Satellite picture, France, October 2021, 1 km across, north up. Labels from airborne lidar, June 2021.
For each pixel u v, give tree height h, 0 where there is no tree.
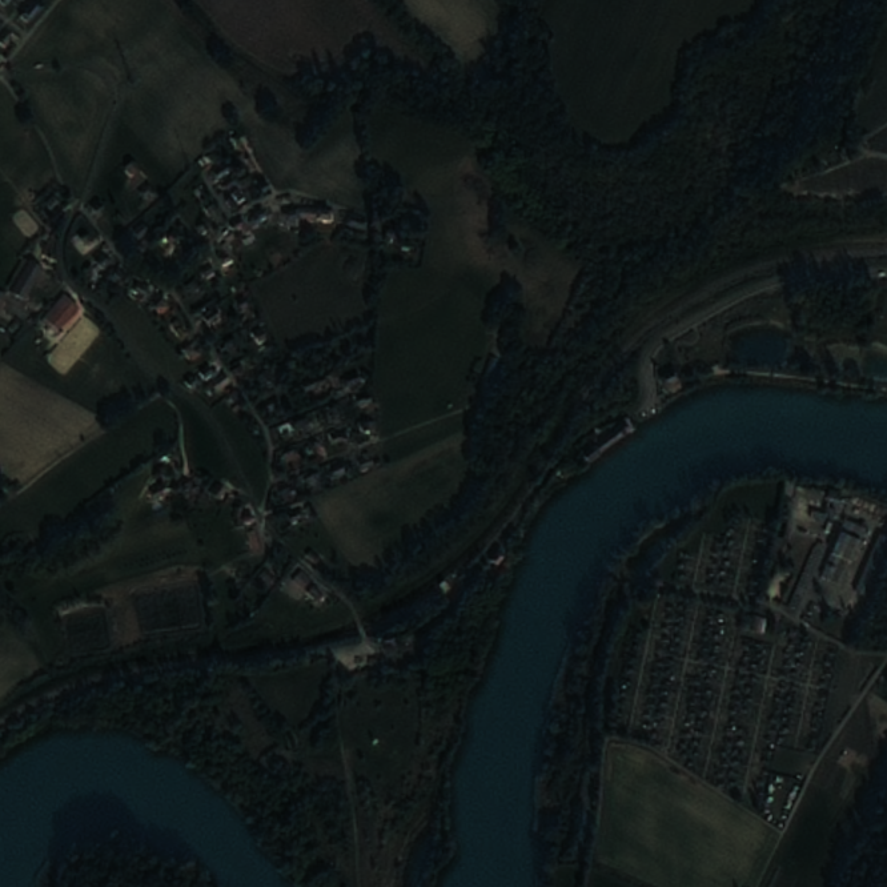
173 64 0
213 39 0
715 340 0
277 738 8
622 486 0
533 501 11
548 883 20
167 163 0
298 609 0
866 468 0
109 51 0
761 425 0
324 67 0
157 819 0
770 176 23
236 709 0
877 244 0
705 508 12
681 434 0
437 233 0
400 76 27
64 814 0
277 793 15
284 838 17
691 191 18
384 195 14
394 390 0
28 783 0
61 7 0
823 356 0
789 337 0
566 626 0
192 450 0
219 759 19
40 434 0
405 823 6
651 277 16
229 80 0
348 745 0
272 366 9
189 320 6
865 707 0
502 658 0
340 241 8
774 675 0
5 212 0
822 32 22
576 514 0
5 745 15
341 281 0
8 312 0
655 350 0
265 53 0
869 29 26
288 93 0
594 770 11
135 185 0
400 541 0
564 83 0
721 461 0
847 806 0
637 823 0
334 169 0
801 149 20
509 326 19
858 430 0
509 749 0
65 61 0
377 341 10
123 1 0
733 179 11
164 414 0
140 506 0
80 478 0
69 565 25
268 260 0
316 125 15
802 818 0
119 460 0
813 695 0
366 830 0
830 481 12
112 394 0
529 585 0
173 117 0
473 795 0
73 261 0
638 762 0
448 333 0
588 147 14
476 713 0
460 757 0
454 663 19
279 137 0
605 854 0
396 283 0
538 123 21
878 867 26
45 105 0
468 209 0
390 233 0
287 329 0
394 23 20
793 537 0
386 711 0
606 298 18
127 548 0
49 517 0
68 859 26
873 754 0
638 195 12
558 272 0
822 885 0
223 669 21
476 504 23
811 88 7
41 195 6
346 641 0
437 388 0
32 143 0
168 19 0
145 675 19
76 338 0
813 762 0
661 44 0
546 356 14
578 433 19
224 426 0
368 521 0
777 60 16
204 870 12
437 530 20
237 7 0
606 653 13
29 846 0
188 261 18
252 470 0
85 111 0
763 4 17
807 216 13
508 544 13
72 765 0
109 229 0
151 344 0
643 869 0
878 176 0
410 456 0
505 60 15
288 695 0
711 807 0
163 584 0
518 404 20
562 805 8
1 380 0
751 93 16
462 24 0
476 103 27
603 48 0
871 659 0
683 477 0
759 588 12
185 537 0
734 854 0
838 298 26
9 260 0
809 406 0
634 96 0
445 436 0
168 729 20
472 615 21
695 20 0
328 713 11
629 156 13
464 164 0
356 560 0
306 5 0
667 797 0
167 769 0
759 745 0
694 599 12
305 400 11
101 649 0
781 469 18
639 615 0
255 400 8
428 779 6
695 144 13
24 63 0
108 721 14
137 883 19
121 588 0
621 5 0
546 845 13
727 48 17
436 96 25
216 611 0
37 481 0
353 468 8
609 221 19
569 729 9
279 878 0
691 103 13
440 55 22
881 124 0
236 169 11
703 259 24
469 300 0
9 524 0
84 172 0
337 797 6
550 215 18
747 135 18
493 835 0
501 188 14
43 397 0
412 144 0
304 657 14
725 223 8
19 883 0
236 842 0
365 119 12
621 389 17
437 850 14
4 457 0
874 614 19
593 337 21
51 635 0
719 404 0
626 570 0
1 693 0
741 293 0
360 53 16
